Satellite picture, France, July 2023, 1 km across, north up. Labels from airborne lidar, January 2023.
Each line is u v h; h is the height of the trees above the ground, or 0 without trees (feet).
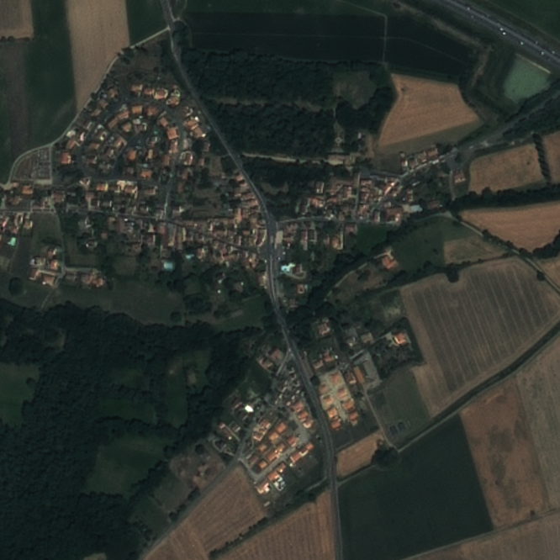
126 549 0
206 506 0
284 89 76
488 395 0
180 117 0
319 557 0
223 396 52
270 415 0
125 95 0
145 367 85
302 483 0
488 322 0
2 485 71
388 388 0
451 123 0
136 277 21
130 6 0
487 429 0
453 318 0
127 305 0
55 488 70
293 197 54
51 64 0
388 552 0
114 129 0
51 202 0
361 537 0
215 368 60
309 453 0
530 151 0
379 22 0
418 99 0
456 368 0
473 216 0
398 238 45
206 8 0
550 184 44
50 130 0
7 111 0
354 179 0
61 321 73
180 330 65
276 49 0
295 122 73
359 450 0
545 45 0
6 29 0
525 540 0
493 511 0
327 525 0
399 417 0
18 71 0
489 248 0
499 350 0
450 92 0
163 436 84
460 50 0
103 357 84
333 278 66
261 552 0
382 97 61
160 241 45
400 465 0
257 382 0
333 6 0
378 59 0
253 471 0
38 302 0
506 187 0
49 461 89
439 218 0
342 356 0
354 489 0
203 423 82
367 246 0
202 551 0
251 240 0
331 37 0
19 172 0
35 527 94
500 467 0
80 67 0
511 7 0
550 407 0
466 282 0
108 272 19
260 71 53
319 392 0
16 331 76
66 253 20
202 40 0
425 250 0
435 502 0
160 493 0
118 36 0
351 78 0
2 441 84
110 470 0
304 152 62
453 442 0
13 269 0
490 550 0
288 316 27
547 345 0
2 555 73
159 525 0
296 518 0
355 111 47
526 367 0
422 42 0
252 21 0
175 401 0
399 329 30
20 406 0
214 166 0
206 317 0
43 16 0
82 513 79
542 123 41
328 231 27
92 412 103
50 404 96
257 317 0
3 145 0
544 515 0
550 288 0
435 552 0
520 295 0
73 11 0
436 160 0
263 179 19
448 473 0
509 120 20
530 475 0
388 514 0
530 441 0
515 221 0
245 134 59
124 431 53
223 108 58
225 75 64
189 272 0
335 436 0
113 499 67
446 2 0
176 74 27
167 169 35
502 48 0
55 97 0
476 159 0
